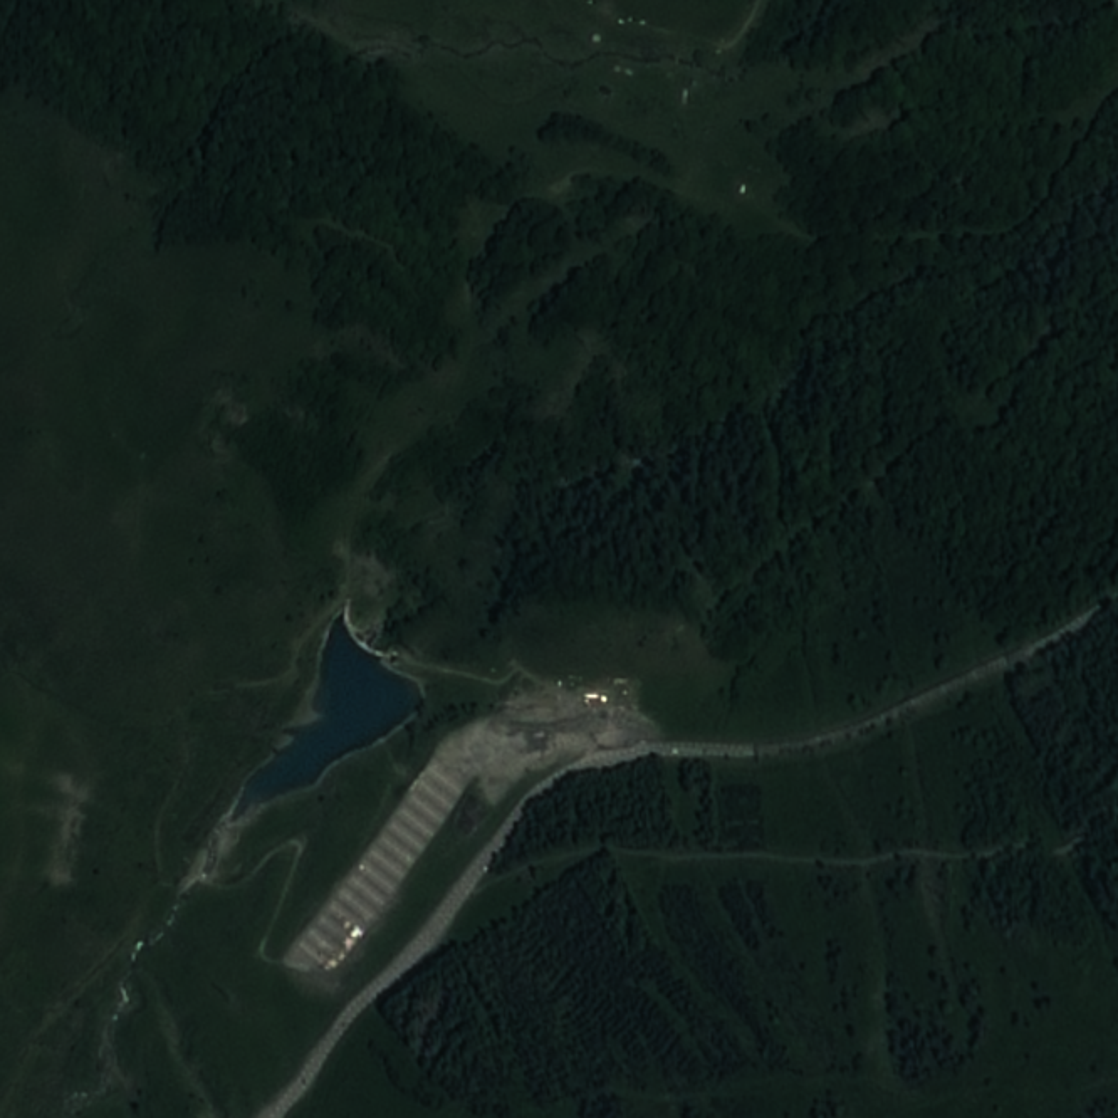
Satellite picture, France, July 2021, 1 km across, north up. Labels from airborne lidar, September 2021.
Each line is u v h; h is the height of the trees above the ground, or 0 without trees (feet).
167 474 0
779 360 29
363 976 0
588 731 0
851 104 70
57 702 0
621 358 66
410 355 36
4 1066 0
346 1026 0
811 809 0
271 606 0
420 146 80
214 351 0
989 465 80
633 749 0
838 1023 0
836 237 64
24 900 0
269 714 0
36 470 0
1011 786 29
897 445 84
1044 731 57
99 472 0
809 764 0
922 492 64
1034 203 28
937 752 0
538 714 0
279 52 81
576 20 0
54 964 0
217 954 0
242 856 0
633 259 21
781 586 41
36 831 0
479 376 0
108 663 0
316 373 62
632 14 0
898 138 62
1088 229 118
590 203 36
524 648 0
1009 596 55
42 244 0
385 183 85
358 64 92
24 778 0
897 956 0
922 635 0
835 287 71
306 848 0
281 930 0
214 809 0
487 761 0
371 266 75
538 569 26
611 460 52
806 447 61
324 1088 0
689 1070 22
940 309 72
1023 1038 0
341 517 0
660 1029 26
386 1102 0
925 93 42
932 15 41
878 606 36
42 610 0
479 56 0
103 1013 0
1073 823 37
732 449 84
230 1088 0
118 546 0
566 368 0
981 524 72
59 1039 0
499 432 43
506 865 31
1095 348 76
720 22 0
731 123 0
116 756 0
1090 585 31
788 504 49
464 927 0
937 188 72
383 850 0
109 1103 0
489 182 87
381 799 0
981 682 0
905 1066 31
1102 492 58
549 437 28
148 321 0
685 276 48
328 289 28
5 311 0
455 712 48
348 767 0
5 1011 0
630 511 94
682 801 0
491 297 23
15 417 0
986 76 75
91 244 0
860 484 24
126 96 84
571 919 43
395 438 0
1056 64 84
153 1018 0
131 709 0
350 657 0
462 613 0
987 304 79
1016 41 88
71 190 0
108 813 0
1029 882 41
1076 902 28
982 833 32
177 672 0
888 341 52
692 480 113
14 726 0
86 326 0
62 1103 0
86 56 68
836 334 56
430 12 0
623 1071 26
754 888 19
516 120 0
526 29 0
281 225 57
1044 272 94
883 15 78
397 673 0
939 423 25
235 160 52
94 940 0
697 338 80
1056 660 40
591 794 79
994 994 0
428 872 0
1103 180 99
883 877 0
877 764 0
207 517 0
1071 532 74
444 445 26
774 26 31
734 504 75
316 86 74
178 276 0
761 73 0
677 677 0
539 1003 29
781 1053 24
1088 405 72
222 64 56
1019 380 66
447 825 0
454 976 67
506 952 30
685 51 0
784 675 0
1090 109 0
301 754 0
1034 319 82
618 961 31
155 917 0
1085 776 51
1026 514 51
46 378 0
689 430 87
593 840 72
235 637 0
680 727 0
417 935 0
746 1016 21
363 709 0
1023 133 90
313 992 0
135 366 0
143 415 0
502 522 0
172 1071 0
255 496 0
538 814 69
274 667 0
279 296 0
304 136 82
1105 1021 0
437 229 93
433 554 0
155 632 0
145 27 62
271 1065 0
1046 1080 0
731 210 0
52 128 0
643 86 0
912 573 0
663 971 26
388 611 25
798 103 22
